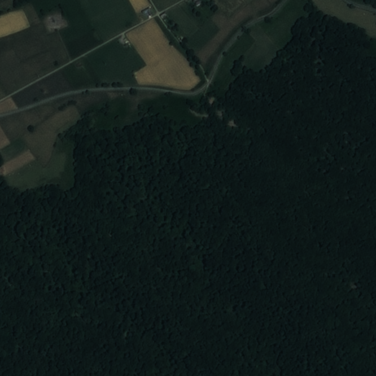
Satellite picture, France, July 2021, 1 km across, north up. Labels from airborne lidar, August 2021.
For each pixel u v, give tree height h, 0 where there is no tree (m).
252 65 0
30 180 0
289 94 32
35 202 23
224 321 30
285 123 27
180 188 34
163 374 28
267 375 32
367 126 28
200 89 0
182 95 0
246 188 24
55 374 32
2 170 0
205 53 0
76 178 17
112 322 30
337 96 30
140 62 0
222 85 0
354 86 27
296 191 25
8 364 36
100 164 30
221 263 27
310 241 28
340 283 25
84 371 29
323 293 22
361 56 26
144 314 24
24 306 27
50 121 0
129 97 0
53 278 26
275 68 23
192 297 27
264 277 28
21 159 0
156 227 30
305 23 21
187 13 0
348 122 33
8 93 0
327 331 21
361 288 31
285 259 23
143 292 28
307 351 28
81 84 0
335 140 27
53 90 0
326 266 31
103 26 0
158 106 0
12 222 37
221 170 26
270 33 0
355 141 28
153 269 20
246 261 28
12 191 14
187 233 29
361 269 27
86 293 6
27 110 0
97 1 0
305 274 21
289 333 25
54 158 0
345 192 25
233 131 16
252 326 31
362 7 0
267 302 25
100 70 0
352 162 33
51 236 35
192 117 0
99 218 21
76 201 20
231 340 27
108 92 0
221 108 17
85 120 15
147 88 0
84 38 0
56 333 26
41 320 25
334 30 25
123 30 0
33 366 31
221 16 0
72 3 0
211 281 28
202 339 21
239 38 14
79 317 7
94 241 33
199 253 36
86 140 31
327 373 26
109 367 26
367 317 26
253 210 25
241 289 29
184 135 14
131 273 25
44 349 33
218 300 30
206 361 22
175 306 20
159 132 28
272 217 23
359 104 29
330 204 20
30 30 0
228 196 21
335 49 27
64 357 31
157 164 24
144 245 26
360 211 21
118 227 20
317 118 26
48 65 0
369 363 29
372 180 28
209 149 25
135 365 29
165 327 28
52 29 0
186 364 29
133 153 37
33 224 32
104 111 17
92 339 27
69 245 35
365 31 20
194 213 31
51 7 0
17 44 0
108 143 33
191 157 29
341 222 23
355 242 24
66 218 26
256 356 31
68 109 0
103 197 31
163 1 0
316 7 6
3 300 27
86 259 35
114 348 25
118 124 0
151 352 33
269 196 24
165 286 20
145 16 0
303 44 33
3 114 0
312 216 25
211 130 25
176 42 0
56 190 25
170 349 27
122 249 29
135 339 31
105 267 28
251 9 0
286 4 0
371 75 26
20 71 0
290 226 21
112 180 26
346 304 29
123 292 28
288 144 29
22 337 37
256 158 20
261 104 32
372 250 24
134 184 7
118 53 0
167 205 29
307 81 33
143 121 18
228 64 0
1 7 0
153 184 35
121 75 0
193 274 30
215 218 28
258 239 24
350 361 25
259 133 18
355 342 30
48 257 37
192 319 26
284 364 30
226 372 25
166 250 24
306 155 26
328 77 29
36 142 0
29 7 0
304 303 23
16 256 34
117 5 0
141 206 34
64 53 0
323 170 30
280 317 29
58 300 26
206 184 31
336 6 0
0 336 33
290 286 26
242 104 27
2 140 0
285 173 16
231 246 29
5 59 0
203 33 0
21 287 26
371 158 30
